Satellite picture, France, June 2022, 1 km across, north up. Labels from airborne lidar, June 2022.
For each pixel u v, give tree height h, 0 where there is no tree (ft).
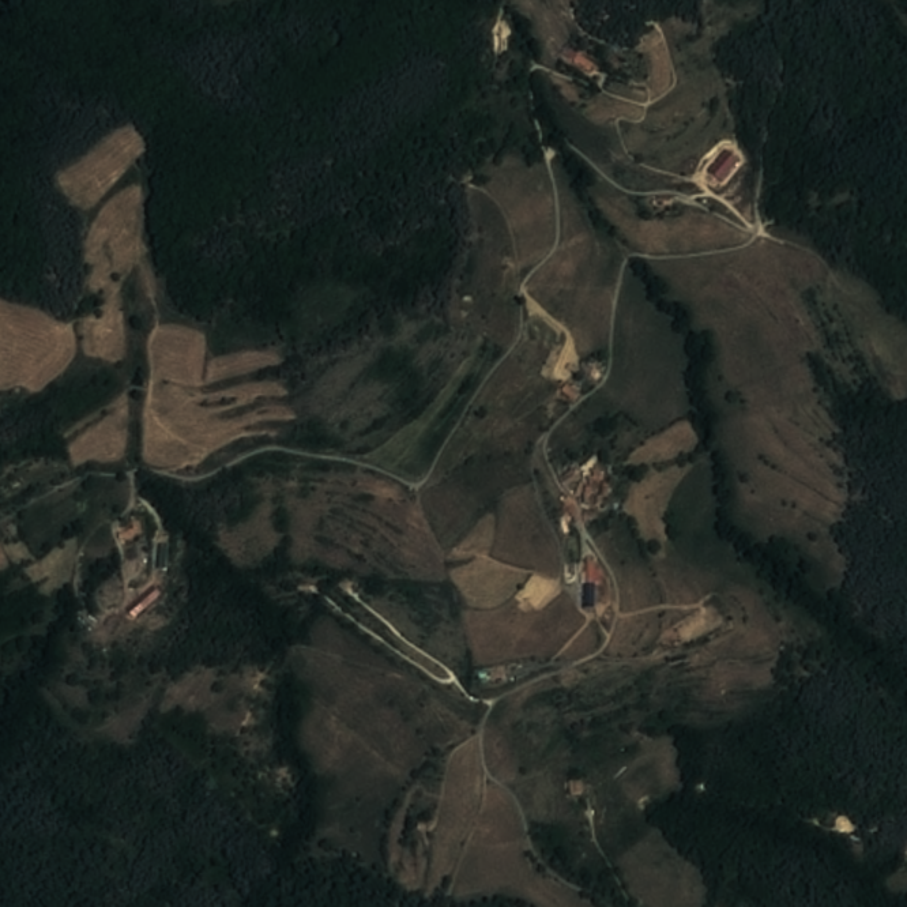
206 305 44
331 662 0
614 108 0
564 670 0
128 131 0
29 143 21
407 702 0
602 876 25
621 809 0
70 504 0
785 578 88
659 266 0
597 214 45
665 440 0
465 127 36
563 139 49
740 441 0
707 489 0
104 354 0
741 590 0
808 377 0
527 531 0
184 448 0
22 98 46
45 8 58
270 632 41
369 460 0
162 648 19
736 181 0
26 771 49
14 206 45
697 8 54
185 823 58
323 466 19
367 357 0
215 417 0
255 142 70
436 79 52
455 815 0
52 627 33
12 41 54
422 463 0
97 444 0
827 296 0
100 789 20
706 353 67
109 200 0
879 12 85
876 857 24
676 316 64
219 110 44
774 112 41
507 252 0
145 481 37
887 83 46
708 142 0
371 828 0
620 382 0
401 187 70
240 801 28
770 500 0
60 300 48
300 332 0
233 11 47
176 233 43
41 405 22
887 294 29
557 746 0
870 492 43
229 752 0
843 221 43
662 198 0
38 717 42
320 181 49
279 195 42
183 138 69
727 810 36
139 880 64
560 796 0
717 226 0
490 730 0
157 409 0
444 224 22
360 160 58
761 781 29
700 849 39
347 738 0
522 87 62
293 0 31
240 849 74
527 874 0
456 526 0
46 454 46
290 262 45
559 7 0
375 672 0
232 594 64
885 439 46
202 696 0
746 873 47
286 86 79
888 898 60
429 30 41
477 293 0
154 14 44
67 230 54
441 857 0
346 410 0
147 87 57
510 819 0
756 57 68
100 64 39
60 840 17
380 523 0
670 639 0
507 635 0
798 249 0
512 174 0
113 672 25
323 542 0
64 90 40
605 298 0
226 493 48
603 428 58
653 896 0
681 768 31
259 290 31
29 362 0
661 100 0
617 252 0
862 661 46
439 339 0
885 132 66
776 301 0
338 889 50
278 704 45
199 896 54
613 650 0
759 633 0
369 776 0
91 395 0
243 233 36
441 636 0
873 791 47
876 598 44
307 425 23
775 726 36
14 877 55
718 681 0
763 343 0
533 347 0
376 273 22
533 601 0
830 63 39
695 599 0
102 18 45
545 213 0
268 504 0
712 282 0
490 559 0
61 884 51
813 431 0
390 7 52
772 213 33
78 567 0
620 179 0
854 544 43
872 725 42
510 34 0
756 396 0
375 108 55
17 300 22
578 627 0
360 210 55
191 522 38
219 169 63
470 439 0
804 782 24
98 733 0
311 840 31
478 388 0
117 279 22
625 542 0
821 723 65
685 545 0
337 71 52
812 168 48
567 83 0
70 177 0
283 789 34
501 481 0
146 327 0
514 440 0
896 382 0
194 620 34
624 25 21
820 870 41
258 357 0
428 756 22
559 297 0
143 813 59
